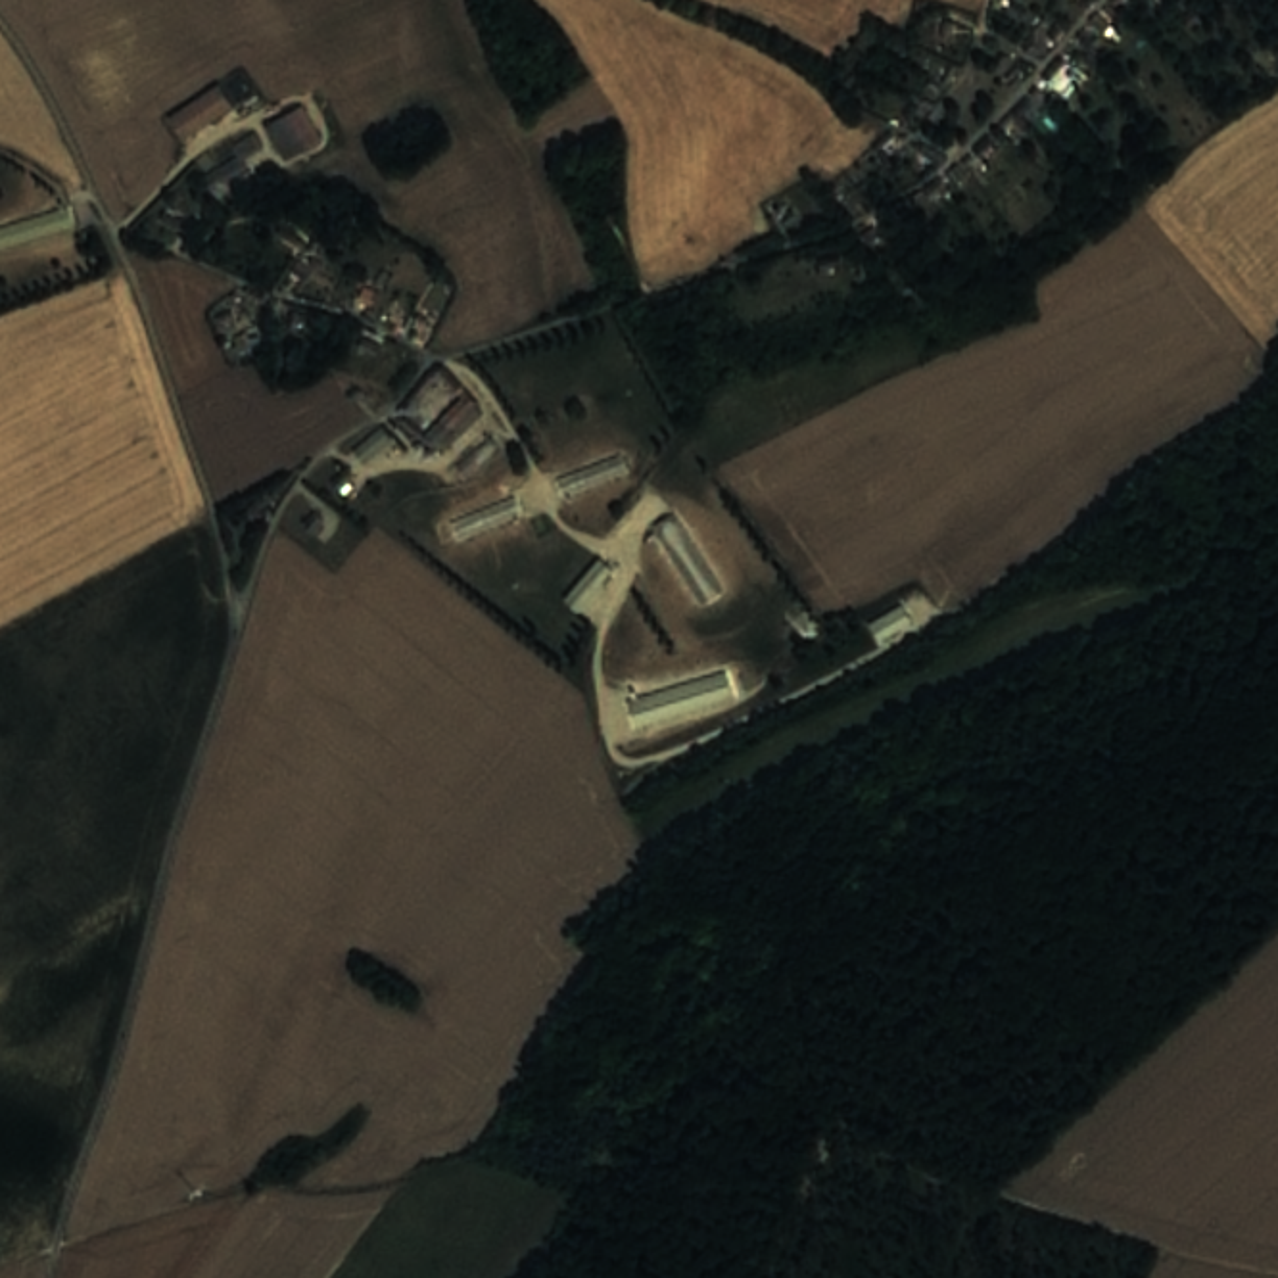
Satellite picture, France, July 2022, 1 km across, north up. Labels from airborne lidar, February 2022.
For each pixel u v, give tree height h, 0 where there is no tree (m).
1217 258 0
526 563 0
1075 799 25
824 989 21
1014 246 8
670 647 17
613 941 20
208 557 0
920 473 0
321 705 0
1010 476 0
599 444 0
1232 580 23
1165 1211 0
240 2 0
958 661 0
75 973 0
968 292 17
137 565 0
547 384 0
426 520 0
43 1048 0
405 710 0
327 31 0
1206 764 23
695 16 7
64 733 0
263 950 0
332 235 16
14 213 0
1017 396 0
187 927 0
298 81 0
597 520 0
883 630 0
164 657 0
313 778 0
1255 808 25
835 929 22
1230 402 0
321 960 0
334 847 0
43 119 0
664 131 0
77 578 0
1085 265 0
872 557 0
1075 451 0
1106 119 16
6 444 0
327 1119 0
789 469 0
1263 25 9
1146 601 0
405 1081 0
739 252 7
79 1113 0
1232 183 0
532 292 0
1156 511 22
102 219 0
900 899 22
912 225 17
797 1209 17
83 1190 0
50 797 0
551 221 0
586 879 0
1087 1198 0
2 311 7
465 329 0
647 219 0
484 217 0
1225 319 0
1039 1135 22
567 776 0
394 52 0
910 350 0
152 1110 0
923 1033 22
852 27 0
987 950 23
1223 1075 0
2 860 0
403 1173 0
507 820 0
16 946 0
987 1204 14
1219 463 16
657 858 20
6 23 0
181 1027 0
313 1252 0
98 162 0
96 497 0
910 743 18
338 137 0
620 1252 22
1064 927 21
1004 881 23
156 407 0
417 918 0
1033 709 18
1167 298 0
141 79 0
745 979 18
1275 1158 0
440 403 0
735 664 0
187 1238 0
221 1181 0
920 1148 19
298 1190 0
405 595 0
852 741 16
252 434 0
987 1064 24
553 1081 19
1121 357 0
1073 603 0
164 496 0
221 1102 0
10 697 0
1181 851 25
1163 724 17
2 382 0
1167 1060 0
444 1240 0
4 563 0
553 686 0
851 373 0
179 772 0
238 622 0
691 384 17
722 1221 25
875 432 0
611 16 0
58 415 0
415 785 0
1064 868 20
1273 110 0
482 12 13
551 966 0
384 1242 0
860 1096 20
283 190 24
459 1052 0
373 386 0
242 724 0
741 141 0
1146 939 25
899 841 18
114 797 0
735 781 0
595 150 22
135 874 0
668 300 8
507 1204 0
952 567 0
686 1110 24
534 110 19
